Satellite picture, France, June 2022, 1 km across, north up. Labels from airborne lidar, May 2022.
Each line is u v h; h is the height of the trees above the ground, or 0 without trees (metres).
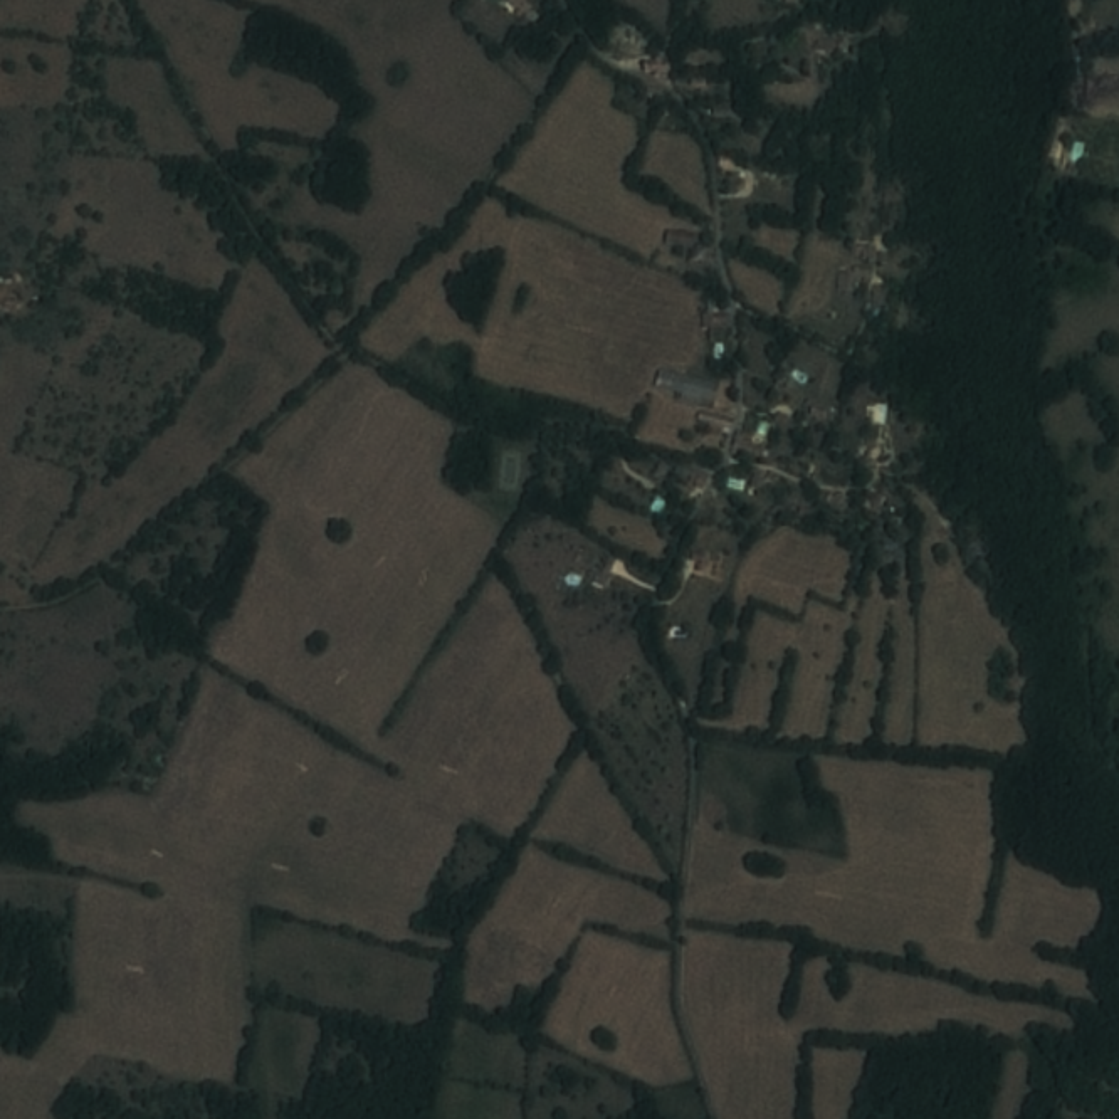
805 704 0
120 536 0
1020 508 16
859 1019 0
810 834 0
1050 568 15
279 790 0
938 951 0
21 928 8
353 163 11
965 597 0
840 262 0
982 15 15
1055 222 21
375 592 0
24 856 12
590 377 0
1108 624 0
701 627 0
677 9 10
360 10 0
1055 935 0
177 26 0
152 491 0
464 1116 0
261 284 0
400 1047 13
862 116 7
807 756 7
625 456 14
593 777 0
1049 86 12
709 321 0
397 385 10
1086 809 17
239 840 0
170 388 9
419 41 0
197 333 8
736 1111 0
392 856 0
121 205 0
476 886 10
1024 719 11
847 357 10
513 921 0
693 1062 0
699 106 8
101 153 6
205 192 10
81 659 0
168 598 7
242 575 11
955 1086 15
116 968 0
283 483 0
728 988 0
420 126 0
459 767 0
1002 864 5
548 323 0
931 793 0
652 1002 0
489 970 0
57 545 0
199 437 0
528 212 9
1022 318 14
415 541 0
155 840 0
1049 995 10
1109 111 0
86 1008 0
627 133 0
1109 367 0
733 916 0
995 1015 0
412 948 12
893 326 6
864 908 0
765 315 7
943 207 18
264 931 0
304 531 0
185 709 10
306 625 0
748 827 0
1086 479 0
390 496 0
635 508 9
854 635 9
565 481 7
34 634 0
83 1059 0
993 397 18
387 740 0
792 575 0
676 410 0
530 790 0
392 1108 17
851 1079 0
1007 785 12
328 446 0
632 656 0
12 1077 0
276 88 0
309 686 0
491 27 0
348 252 10
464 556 0
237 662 0
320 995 0
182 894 0
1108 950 13
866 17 13
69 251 7
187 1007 0
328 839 0
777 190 0
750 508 13
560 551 0
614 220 0
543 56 13
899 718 0
